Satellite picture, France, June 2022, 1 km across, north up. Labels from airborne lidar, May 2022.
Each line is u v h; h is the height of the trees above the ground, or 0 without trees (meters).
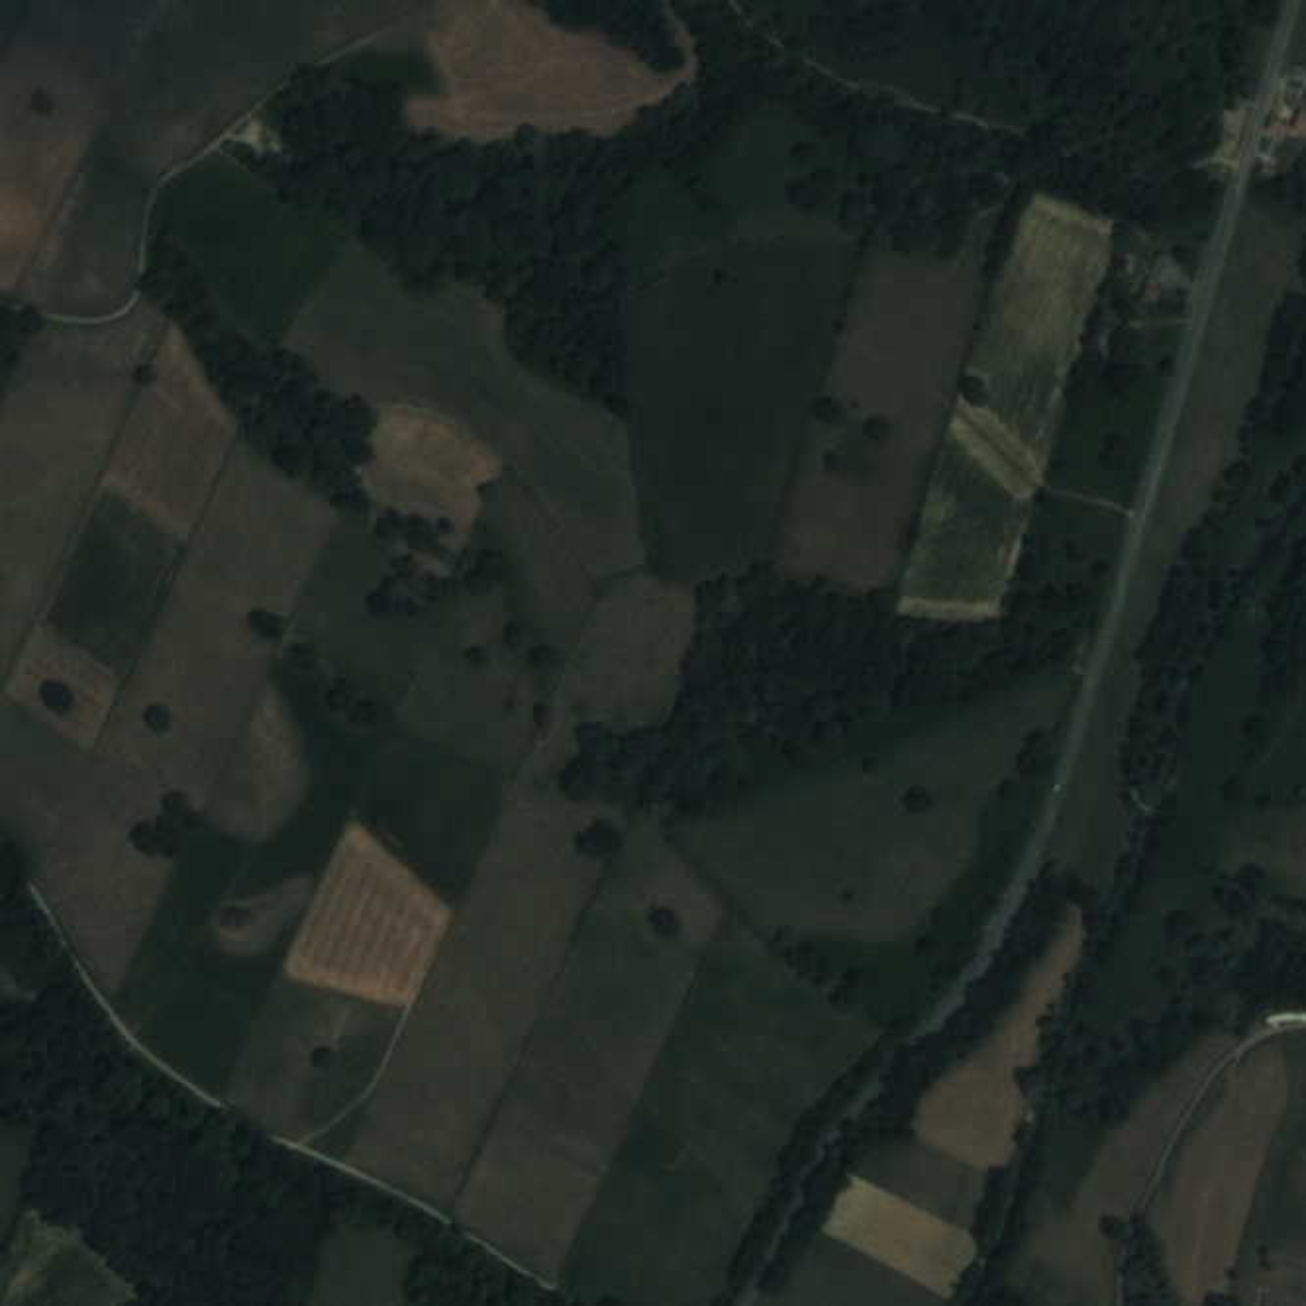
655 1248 0
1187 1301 0
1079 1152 0
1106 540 0
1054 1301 0
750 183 0
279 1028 0
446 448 0
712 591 15
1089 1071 16
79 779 0
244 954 0
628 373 11
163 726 13
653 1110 0
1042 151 22
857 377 0
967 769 0
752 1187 0
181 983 0
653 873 0
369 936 0
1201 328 0
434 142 17
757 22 8
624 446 0
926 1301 0
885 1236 0
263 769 0
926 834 0
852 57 7
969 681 20
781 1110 0
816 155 15
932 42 0
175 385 0
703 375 0
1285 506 15
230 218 0
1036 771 17
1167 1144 0
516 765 0
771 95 18
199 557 0
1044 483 0
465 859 0
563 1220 0
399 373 0
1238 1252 0
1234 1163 0
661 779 23
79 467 0
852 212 15
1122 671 0
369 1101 0
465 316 0
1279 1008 0
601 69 0
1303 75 0
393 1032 0
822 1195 23
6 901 11
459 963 0
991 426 0
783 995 0
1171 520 0
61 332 0
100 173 0
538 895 0
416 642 0
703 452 0
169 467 0
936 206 13
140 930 0
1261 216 0
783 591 17
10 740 0
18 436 0
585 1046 0
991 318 0
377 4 0
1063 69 7
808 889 0
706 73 15
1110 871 0
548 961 0
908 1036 8
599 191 26
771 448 0
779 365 0
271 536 0
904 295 0
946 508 0
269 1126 0
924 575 0
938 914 9
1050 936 19
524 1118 0
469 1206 0
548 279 23
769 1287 19
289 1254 25
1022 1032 0
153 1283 22
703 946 0
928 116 10
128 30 0
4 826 0
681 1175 0
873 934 0
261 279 0
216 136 0
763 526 0
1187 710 15
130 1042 0
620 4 11
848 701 26
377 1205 12
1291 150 0
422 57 0
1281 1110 0
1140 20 14
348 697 18
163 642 0
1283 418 21
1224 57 13
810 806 0
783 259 0
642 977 0
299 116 19
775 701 23
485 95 0
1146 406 0
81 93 0
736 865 0
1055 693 0
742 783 8
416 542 17
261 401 19
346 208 8
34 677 0
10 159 0
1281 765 0
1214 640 14
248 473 0
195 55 0
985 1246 16
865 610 19
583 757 8
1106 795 0
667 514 0
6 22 0
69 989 15
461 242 19
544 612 0
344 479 13
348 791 0
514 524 0
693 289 0
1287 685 19
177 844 19
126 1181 22
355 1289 0
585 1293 0
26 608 0
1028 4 13
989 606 0
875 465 0
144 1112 22
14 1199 0
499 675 0
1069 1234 0
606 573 0
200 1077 0
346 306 0
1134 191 13
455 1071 0
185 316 6
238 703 0
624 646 0
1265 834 0
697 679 16
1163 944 0
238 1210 27
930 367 0
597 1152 0
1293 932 15
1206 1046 0
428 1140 0
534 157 16
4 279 0
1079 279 0
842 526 0
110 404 0
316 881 0
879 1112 21
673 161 12
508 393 0
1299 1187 0
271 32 0
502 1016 0
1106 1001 0
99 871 0
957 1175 0
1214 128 14
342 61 0
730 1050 0
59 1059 16
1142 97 17
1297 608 18
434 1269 20
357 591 0
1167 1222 0
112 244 0
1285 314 18
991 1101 0
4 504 0
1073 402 10
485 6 0
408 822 0
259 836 0
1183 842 0
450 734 0
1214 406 0
